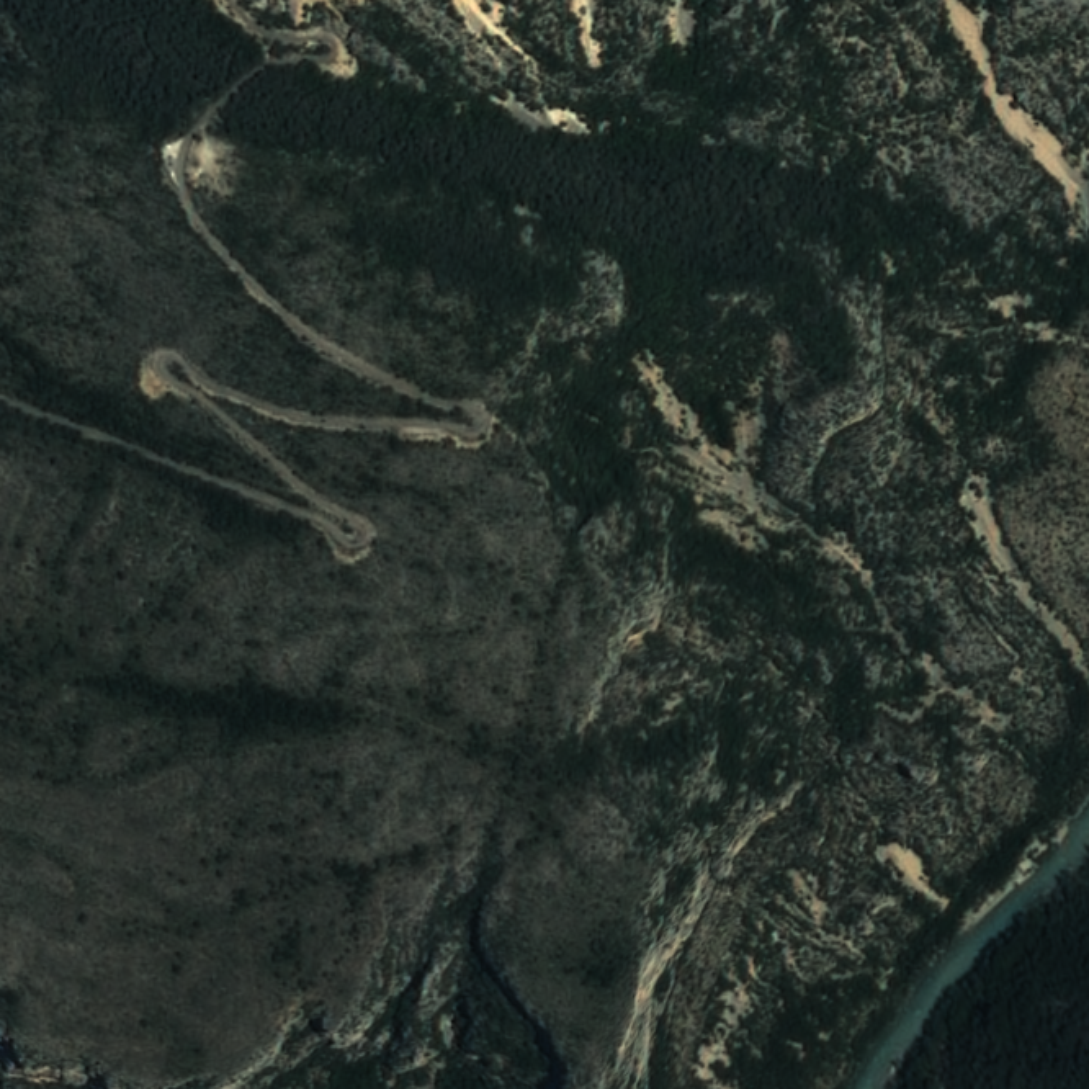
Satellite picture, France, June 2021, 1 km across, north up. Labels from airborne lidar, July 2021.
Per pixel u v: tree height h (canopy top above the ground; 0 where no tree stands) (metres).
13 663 6
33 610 0
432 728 0
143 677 6
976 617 6
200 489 8
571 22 7
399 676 0
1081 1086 12
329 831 0
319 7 7
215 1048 0
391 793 0
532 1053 11
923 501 8
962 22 0
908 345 7
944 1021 14
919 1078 19
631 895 0
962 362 6
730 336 9
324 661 0
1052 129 6
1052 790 9
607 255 21
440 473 0
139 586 0
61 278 0
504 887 0
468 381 0
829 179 11
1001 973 15
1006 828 7
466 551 0
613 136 11
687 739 11
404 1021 8
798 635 8
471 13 0
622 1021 0
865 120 6
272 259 0
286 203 0
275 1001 0
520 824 0
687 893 9
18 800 0
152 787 0
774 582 8
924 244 6
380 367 0
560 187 15
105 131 0
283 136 14
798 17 10
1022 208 7
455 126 11
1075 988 15
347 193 6
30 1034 0
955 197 0
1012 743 8
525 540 0
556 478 9
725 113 7
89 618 0
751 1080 8
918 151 8
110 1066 0
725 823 10
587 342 7
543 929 0
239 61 10
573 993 0
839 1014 14
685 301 7
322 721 6
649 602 6
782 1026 9
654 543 10
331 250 0
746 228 12
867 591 10
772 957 6
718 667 12
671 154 17
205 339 0
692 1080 7
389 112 10
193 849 0
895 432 13
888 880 6
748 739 6
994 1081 15
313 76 12
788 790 51
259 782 0
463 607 0
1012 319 6
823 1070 9
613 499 10
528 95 7
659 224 11
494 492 0
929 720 8
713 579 8
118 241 0
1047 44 6
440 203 6
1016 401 9
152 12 7
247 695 7
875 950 8
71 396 8
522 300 8
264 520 6
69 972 0
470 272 8
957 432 8
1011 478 6
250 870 0
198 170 0
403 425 0
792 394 6
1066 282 10
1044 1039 11
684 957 7
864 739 8
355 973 0
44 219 0
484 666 0
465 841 0
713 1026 7
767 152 10
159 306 0
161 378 0
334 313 0
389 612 0
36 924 0
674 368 6
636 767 6
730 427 13
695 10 8
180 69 11
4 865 0
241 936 0
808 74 7
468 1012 36
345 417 0
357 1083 12
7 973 0
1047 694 7
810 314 9
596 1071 0
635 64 8
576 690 0
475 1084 11
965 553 6
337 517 0
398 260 6
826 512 7
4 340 8
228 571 0
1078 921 9
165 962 0
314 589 0
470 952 9
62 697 0
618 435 10
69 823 0
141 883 0
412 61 9
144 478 0
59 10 10
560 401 11
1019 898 0
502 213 11
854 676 11
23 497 0
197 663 0
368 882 8
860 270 7
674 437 8
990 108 11
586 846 0
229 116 11
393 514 0
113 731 0
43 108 6
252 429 0
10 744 0
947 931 8
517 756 6
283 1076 11
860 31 9
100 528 0
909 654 9
